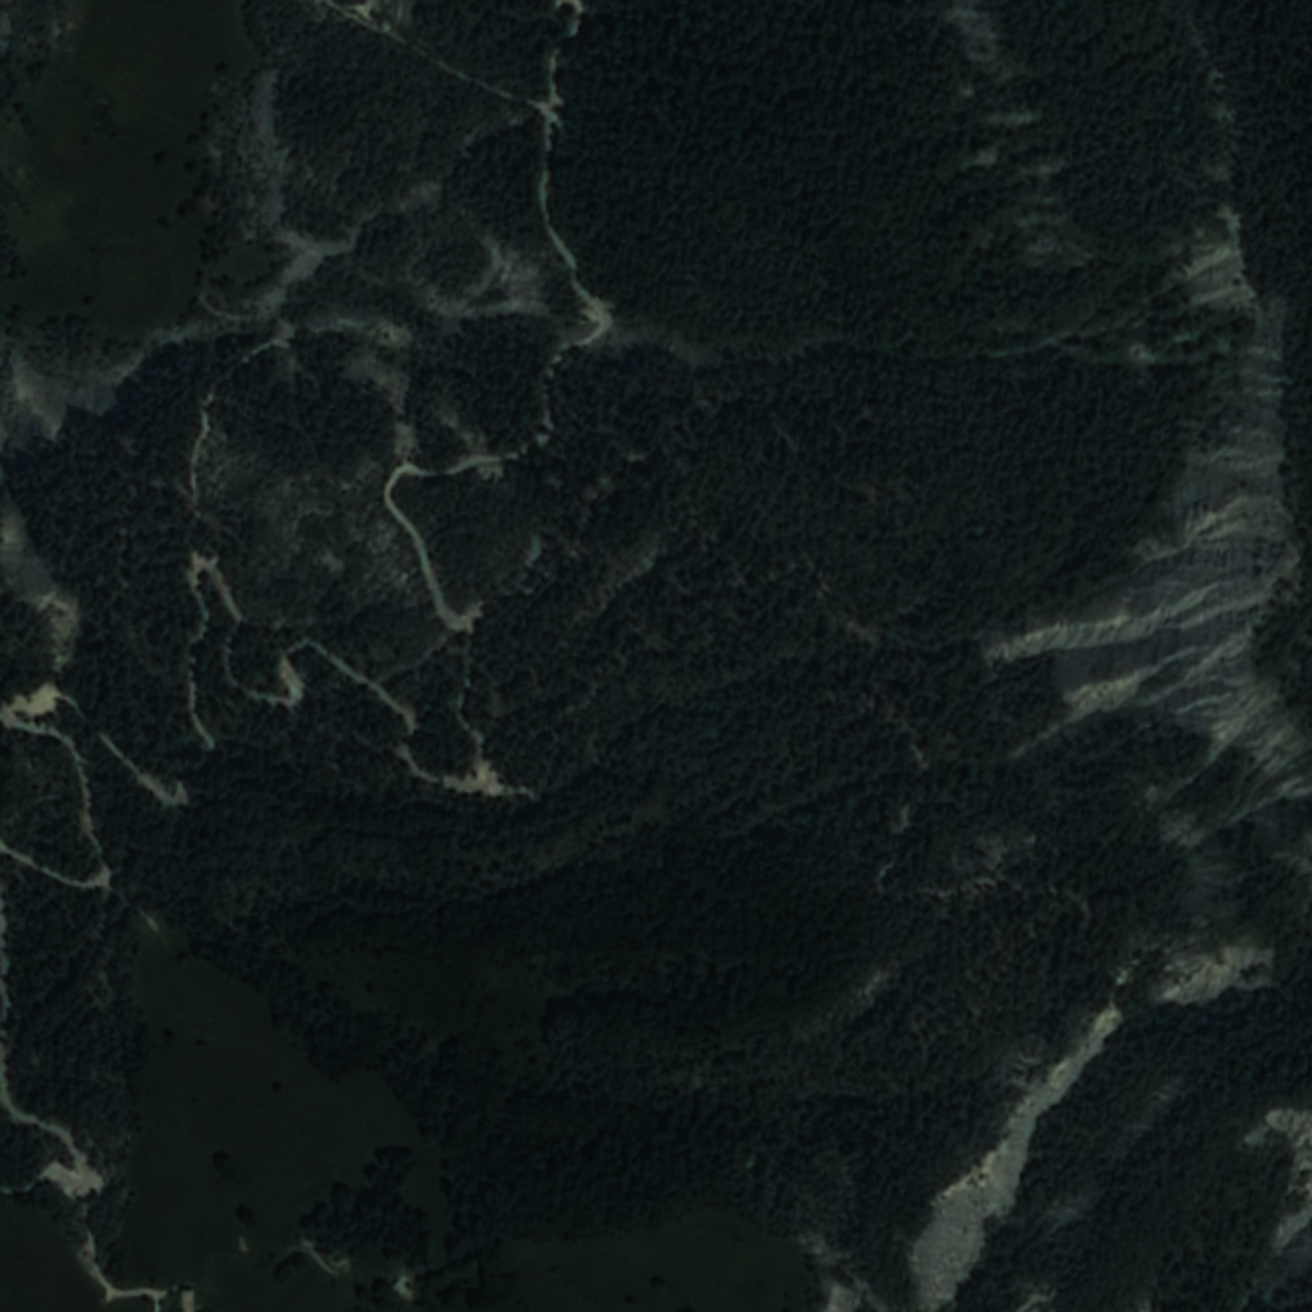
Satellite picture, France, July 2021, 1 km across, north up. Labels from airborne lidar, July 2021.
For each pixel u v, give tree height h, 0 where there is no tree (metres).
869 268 14
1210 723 0
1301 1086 13
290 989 26
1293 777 0
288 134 7
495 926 29
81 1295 0
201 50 0
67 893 9
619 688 7
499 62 8
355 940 13
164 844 14
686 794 14
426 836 17
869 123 21
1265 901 8
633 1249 0
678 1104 15
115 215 0
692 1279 0
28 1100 10
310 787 13
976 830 5
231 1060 0
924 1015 9
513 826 18
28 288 0
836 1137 13
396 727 14
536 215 7
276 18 8
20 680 16
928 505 8
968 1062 9
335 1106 0
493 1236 12
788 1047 12
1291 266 13
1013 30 11
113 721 9
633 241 18
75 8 0
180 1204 0
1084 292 11
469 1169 18
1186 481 0
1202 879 0
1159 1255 5
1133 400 10
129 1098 11
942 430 9
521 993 0
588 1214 24
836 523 13
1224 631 0
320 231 10
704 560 15
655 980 20
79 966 21
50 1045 16
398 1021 9
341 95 10
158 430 10
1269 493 0
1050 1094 0
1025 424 12
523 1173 25
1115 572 12
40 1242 0
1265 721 0
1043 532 12
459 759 10
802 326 9
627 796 17
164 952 0
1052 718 8
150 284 0
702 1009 20
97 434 10
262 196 6
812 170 27
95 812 10
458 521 11
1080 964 14
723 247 9
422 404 7
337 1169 0
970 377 10
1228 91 6
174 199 0
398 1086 26
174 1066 0
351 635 12
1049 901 10
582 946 24
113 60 0
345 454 11
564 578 15
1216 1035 15
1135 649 0
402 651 7
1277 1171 8
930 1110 17
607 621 11
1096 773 7
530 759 7
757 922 26
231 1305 0
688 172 14
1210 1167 8
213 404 9
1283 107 23
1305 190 15
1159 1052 11
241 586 7
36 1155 14
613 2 18
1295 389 10
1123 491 11
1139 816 6
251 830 18
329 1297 0
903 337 14
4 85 12
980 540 8
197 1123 0
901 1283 12
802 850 19
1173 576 0
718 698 13
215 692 11
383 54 9
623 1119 31
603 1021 18
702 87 25
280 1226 0
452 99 9
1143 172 6
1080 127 11
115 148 0
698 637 17
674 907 26
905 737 9
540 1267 0
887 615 6
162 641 17
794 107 29
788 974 18
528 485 16
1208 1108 12
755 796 11
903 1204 10
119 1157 9
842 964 17
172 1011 0
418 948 17
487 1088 24
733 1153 20
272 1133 0
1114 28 6
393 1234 19
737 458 17
